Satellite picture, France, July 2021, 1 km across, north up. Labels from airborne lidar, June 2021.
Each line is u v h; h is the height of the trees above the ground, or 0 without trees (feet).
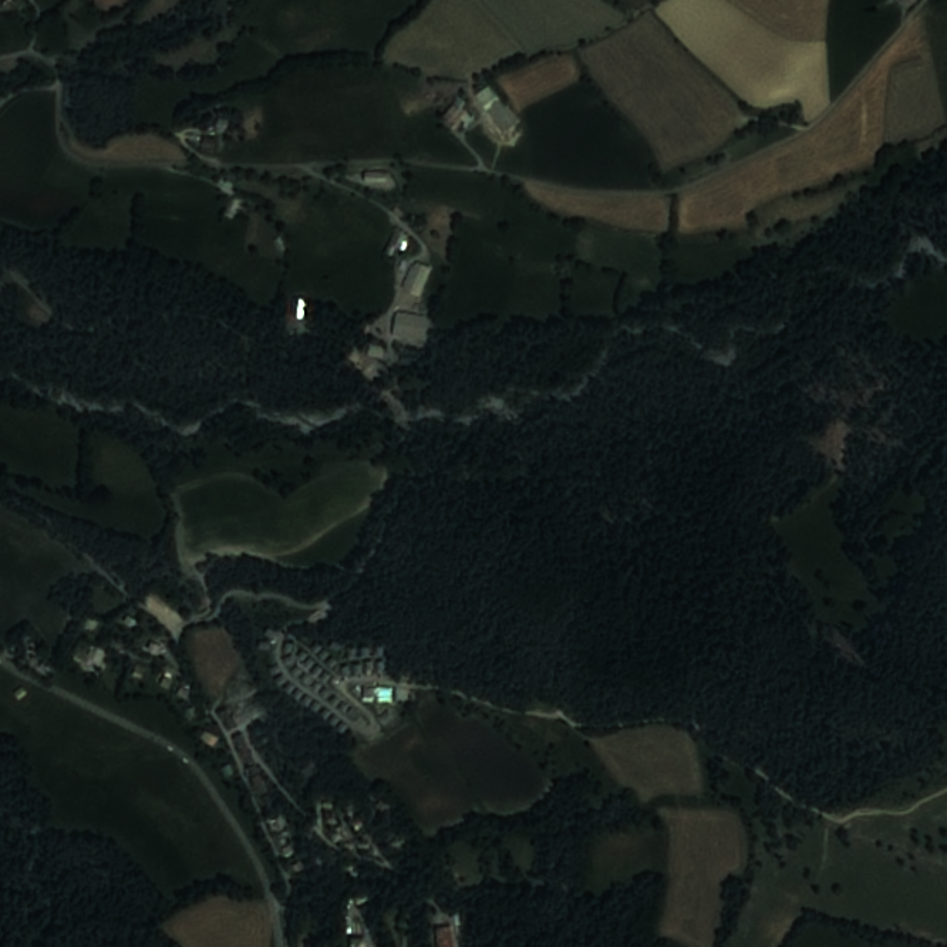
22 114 0
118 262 56
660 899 54
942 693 87
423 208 0
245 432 60
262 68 0
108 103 47
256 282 0
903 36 0
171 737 0
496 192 0
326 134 0
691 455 83
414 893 64
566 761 0
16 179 0
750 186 0
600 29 0
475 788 0
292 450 0
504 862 25
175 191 0
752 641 86
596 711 35
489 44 0
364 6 0
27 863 79
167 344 29
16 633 43
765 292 60
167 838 0
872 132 0
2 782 61
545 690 45
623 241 0
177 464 93
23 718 0
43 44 0
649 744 0
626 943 56
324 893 37
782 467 89
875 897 0
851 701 75
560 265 33
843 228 55
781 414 80
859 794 53
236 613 22
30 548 0
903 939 45
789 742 84
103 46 52
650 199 0
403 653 47
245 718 0
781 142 0
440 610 79
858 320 69
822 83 0
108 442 0
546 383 27
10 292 52
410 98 0
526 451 53
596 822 60
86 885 46
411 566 55
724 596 96
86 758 0
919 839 57
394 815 50
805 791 47
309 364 63
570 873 64
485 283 0
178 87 0
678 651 91
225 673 0
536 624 59
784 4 0
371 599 59
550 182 0
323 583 60
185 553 0
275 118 0
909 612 89
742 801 40
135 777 0
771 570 40
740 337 34
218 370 39
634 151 0
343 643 32
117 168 0
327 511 0
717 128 0
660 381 29
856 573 0
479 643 48
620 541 90
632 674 81
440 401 44
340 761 59
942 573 76
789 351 78
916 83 0
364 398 49
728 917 28
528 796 0
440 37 0
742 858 0
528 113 0
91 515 0
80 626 42
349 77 0
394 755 0
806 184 0
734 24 0
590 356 44
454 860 32
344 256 0
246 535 0
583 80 29
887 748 56
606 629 85
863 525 108
